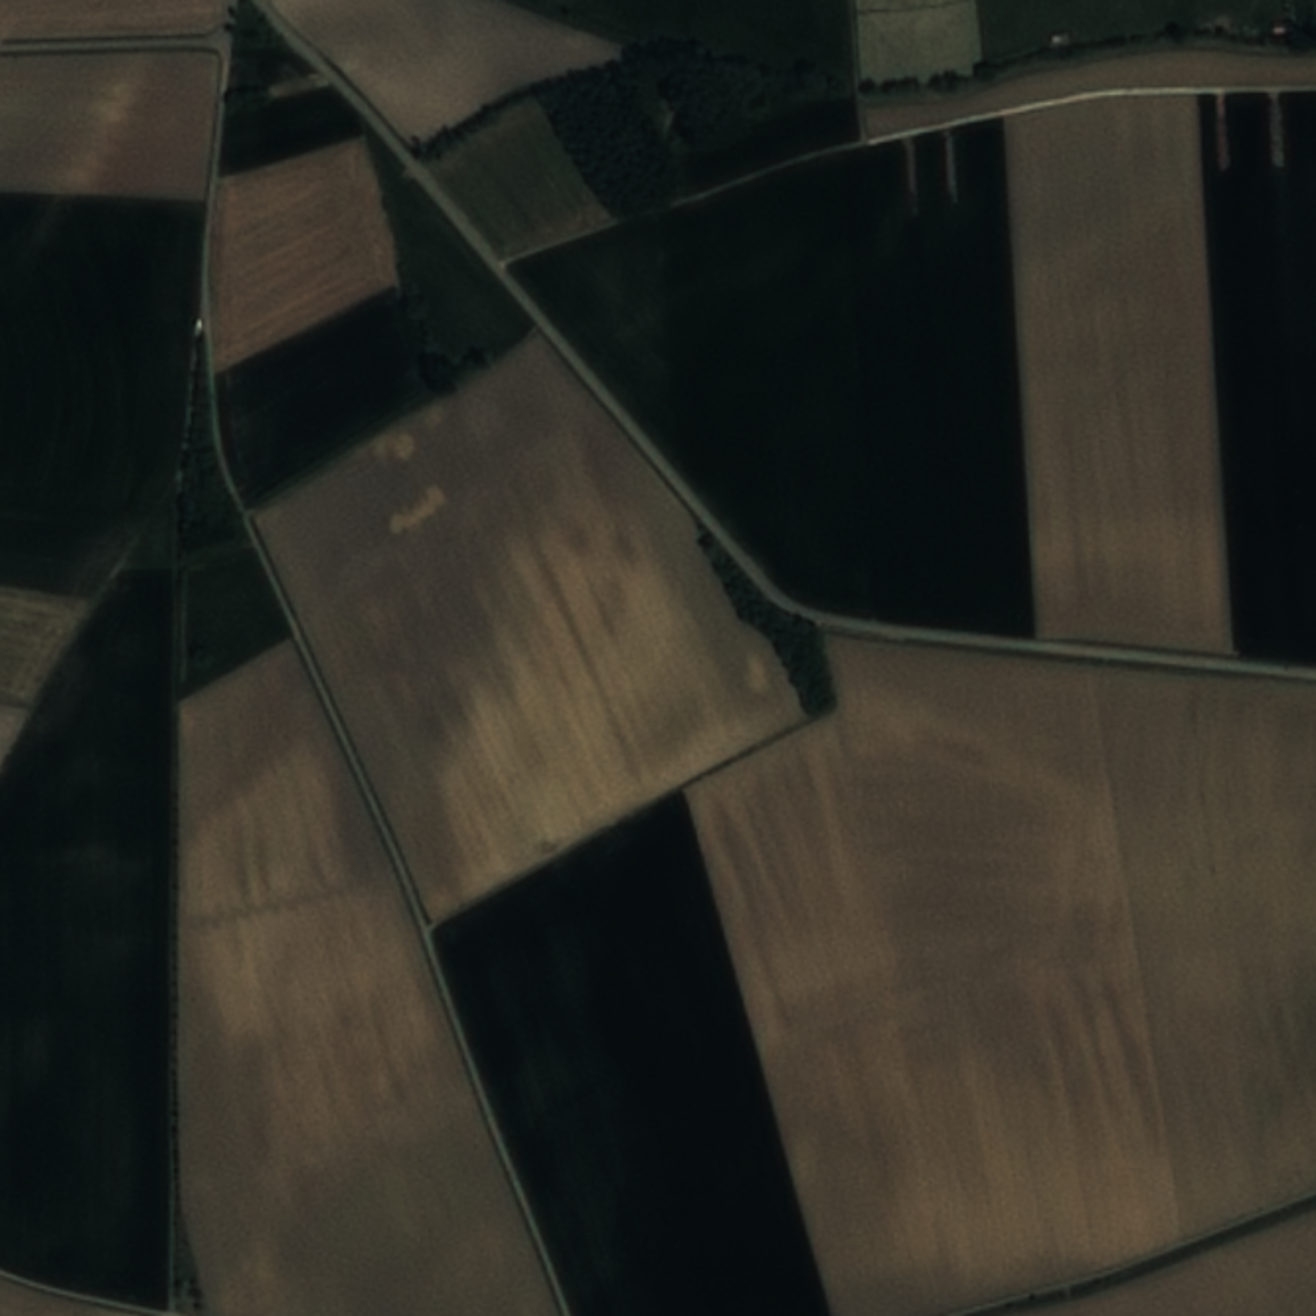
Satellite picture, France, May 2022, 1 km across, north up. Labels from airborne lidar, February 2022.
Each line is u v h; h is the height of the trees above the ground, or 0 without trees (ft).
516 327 0
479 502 0
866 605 0
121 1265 0
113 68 0
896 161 0
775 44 0
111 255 0
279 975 0
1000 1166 0
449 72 0
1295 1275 0
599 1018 0
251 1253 0
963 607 0
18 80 0
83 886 0
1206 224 0
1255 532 0
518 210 0
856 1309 0
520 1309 0
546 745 0
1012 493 0
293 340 0
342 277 0
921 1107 0
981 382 0
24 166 0
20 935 0
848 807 0
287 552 0
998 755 0
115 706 0
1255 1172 0
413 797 0
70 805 0
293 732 0
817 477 0
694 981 0
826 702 41
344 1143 0
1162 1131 0
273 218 0
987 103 0
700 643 0
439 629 0
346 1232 0
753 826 0
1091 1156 0
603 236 0
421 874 0
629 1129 0
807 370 0
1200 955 0
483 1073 0
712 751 0
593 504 0
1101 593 0
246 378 0
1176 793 0
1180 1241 0
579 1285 0
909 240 0
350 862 0
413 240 0
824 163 0
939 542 0
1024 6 0
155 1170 0
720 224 0
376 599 0
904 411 0
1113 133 0
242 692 0
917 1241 0
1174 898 0
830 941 0
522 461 0
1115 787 0
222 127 0
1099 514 0
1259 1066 0
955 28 0
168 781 0
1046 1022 0
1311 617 0
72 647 0
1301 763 0
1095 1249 0
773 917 0
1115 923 0
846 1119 0
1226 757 0
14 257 0
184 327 0
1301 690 0
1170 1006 0
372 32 0
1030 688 0
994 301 0
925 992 0
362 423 0
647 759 0
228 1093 0
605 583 0
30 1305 0
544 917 0
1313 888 0
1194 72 0
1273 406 0
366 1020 0
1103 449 0
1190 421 0
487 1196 0
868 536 0
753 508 0
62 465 0
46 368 0
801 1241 0
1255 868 0
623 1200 0
